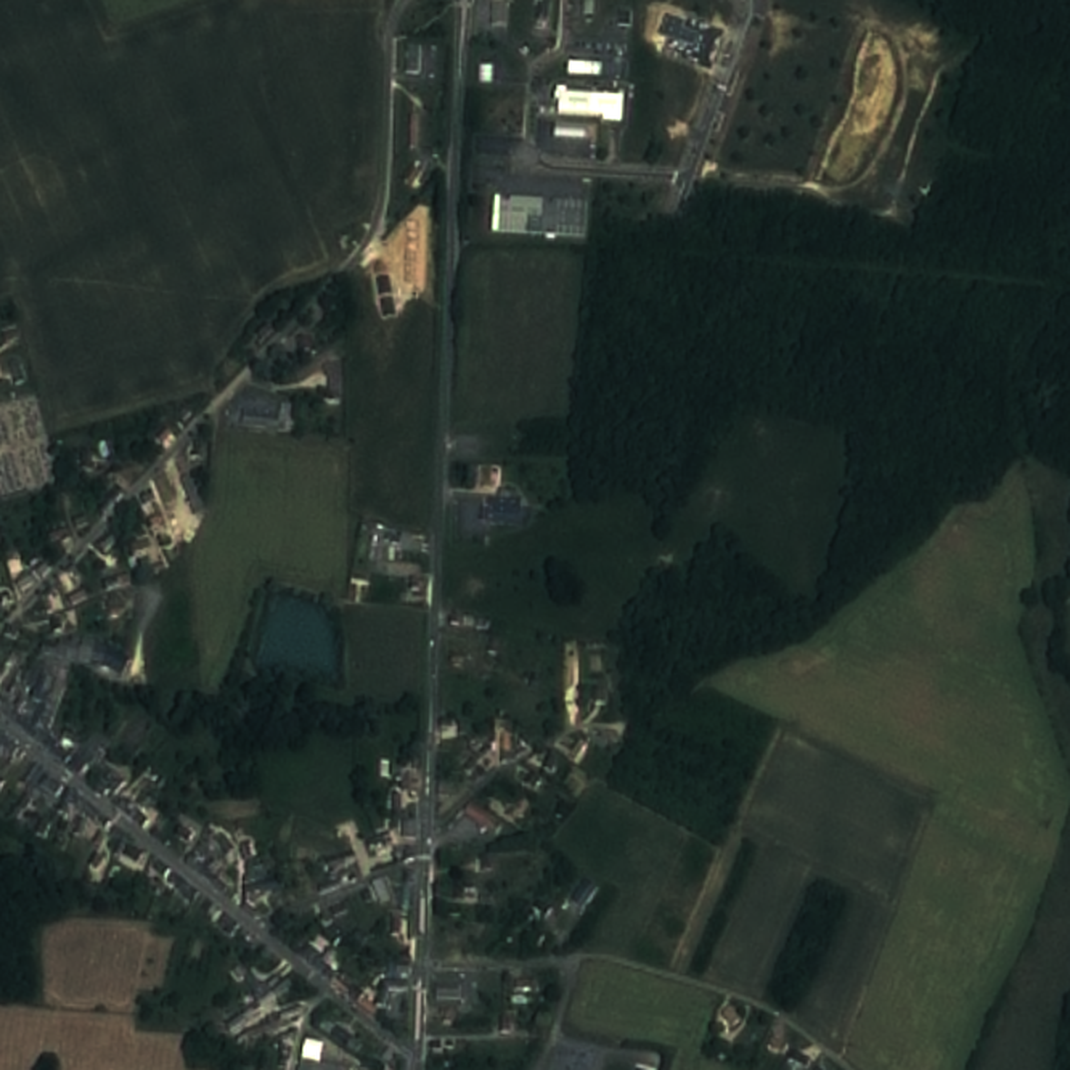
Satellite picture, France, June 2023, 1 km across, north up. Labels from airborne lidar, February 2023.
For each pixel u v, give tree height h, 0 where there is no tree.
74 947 0
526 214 0
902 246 15
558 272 0
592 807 0
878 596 0
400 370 0
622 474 13
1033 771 0
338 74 0
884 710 0
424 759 0
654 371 14
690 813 7
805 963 6
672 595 18
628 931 0
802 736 0
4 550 8
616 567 0
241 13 0
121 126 0
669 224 14
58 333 0
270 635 0
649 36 0
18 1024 0
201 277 0
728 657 6
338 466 0
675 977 0
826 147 0
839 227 10
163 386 0
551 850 9
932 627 0
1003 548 0
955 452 12
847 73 0
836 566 13
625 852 0
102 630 14
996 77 17
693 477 13
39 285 0
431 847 0
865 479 16
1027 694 0
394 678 0
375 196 0
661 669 7
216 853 0
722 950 0
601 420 13
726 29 0
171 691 0
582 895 0
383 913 0
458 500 0
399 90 0
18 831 17
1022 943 0
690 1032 0
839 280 12
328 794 0
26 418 0
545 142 0
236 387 0
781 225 8
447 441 0
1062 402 16
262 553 0
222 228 0
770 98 0
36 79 0
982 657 0
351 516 0
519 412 0
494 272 0
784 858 0
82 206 0
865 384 15
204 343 0
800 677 0
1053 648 11
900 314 9
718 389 13
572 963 0
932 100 0
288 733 34
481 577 0
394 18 0
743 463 0
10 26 0
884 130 0
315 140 0
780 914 0
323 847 0
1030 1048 0
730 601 16
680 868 0
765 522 0
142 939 0
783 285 7
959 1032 0
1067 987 0
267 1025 0
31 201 0
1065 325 9
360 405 0
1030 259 12
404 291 0
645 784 6
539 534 0
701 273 9
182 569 0
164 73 0
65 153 0
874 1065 0
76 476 17
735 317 14
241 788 13
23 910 31
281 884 14
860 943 0
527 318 0
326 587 0
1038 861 0
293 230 0
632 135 0
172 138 0
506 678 0
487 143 0
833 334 18
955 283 14
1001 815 0
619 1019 0
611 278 12
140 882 7
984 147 12
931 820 0
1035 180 15
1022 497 0
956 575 0
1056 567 0
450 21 0
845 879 0
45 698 0
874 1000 0
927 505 18
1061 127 13
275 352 16
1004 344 13
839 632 0
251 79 0
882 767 0
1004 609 0
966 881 0
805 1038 0
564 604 13
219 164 0
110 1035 0
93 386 0
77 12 0
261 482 0
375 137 0
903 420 14
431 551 0
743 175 0
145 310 0
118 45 0
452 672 0
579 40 0
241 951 9
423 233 0
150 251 0
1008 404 16
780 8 15
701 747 9
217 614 0
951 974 0
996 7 19
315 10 0
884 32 0
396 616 0
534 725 0
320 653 0
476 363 0
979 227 17
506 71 0
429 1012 0
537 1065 0
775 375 14
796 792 0
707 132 0
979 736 0
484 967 0
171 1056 0
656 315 11
